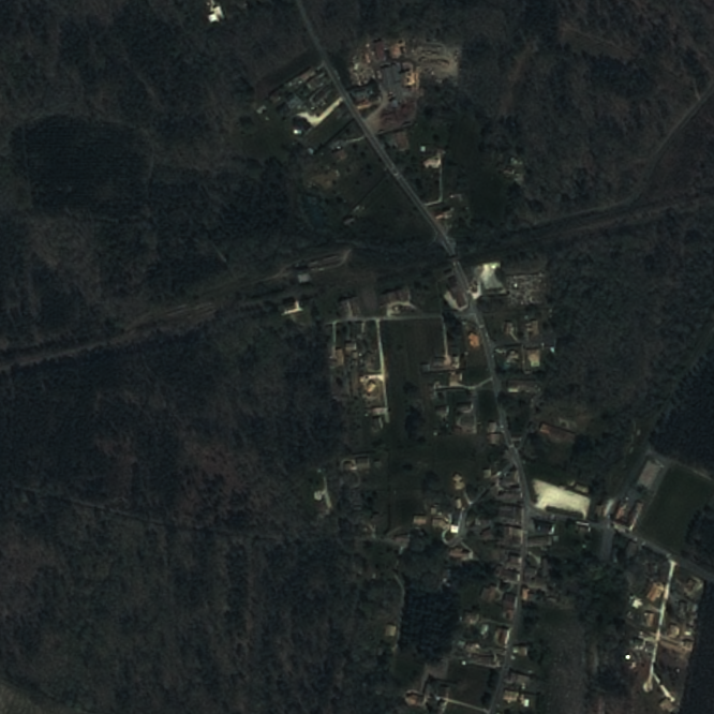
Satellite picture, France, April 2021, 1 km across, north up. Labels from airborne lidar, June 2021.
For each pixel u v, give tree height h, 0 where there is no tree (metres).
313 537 22
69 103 16
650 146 17
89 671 15
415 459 0
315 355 15
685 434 13
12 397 18
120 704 8
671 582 9
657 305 19
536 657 7
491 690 9
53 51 15
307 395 13
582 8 13
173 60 22
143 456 9
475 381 0
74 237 8
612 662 14
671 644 0
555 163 16
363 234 14
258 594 14
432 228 0
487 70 17
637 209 9
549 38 18
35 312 11
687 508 0
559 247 11
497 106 18
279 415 17
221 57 18
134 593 18
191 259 17
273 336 18
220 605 19
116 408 14
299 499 20
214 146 16
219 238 14
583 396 16
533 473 0
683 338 11
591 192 9
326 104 0
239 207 17
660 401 12
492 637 13
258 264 17
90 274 11
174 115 19
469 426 0
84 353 6
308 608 28
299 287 14
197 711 17
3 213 19
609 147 21
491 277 0
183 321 0
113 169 7
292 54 14
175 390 13
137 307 16
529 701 0
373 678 12
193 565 15
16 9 24
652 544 0
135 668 25
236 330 20
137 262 13
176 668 17
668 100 15
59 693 15
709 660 17
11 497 25
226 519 8
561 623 0
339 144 0
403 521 0
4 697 0
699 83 17
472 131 0
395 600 19
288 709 10
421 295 15
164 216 17
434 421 0
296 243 14
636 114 11
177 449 14
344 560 20
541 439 13
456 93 12
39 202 7
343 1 19
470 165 0
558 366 19
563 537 0
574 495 0
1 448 17
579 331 15
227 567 13
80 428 15
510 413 15
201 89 22
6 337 8
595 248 18
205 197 16
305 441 15
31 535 8
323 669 10
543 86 16
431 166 7
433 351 0
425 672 0
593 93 14
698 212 9
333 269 0
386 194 0
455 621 11
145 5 17
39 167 9
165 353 17
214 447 13
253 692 14
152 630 19
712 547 13
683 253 10
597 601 10
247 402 14
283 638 13
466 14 20
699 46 15
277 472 25
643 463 0
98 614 18
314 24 13
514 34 17
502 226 6
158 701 13
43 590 22
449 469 0
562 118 20
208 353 22
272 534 12
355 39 16
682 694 0
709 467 15
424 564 26
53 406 18
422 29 16
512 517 0
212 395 17
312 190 7
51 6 19
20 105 17
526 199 15
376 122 0
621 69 17
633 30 18
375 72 0
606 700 13
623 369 20
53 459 12
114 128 7
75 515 12
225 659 15
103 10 14
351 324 7
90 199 8
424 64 0
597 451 28
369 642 21
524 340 7
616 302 14
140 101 29
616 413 13
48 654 15
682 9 18
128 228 8
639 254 14
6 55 23
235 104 23
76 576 15
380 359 0
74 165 8
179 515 8
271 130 7
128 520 12
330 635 16
